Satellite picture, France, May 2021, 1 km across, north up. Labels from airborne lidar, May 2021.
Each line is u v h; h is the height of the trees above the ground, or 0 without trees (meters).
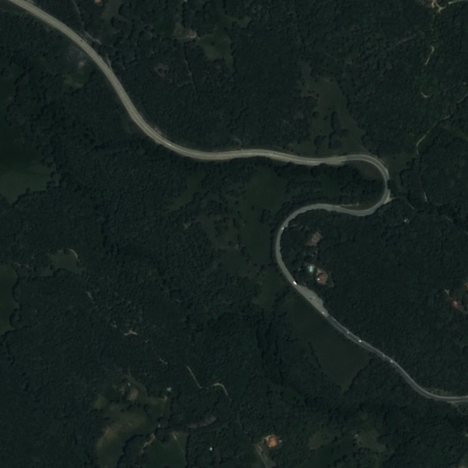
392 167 0
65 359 14
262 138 10
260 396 16
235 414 8
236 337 6
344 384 0
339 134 12
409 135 10
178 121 9
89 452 13
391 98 7
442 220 13
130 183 8
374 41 10
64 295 10
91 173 10
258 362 8
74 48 0
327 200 10
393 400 21
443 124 12
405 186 11
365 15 9
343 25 9
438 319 10
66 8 11
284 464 10
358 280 10
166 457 0
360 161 0
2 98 0
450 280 17
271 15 10
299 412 19
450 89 5
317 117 15
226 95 9
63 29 0
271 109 12
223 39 0
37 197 16
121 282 16
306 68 0
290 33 12
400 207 12
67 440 19
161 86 13
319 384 15
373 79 10
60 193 13
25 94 12
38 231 11
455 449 11
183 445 0
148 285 11
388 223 14
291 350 16
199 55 12
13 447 15
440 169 8
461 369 8
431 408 14
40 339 14
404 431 13
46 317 11
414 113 9
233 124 10
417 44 9
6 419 12
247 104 7
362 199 10
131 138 7
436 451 13
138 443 15
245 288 10
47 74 6
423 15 8
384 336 9
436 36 13
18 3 0
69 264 0
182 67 10
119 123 12
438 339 7
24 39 10
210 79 9
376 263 12
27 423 17
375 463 17
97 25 16
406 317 7
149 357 8
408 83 8
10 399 17
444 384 6
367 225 16
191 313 11
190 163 19
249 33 12
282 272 8
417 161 15
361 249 14
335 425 18
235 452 11
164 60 11
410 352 12
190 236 7
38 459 14
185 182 11
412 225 10
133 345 9
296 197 6
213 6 15
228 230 7
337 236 11
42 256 9
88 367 11
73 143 9
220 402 11
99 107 12
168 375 16
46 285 12
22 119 17
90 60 0
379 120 10
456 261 12
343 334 8
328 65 11
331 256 12
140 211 7
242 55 15
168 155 15
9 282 0
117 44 15
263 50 13
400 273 18
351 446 0
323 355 0
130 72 11
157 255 18
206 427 9
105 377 6
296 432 13
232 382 5
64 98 11
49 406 14
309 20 8
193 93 8
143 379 9
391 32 8
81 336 14
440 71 6
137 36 9
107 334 11
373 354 12
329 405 22
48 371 12
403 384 8
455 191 12
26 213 13
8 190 0
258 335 15
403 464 20
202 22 13
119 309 7
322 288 10
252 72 15
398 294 13
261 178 0
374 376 12
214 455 17
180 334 16
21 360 18
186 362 11
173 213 7
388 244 16
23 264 9
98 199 12
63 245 13
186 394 10
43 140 12
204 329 19
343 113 0
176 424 9
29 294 12
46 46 10
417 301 8
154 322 8
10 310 0
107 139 12
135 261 11
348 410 25
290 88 10
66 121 23
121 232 13
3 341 9
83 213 15
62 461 16
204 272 8
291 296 12
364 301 9
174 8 13
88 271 12
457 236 14
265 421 15
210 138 6
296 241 12
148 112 11
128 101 0
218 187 6
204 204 12
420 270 12
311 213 9
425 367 6
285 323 16
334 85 0
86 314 9
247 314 21
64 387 10
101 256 11
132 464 12
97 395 8
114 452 0
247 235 0
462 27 10
